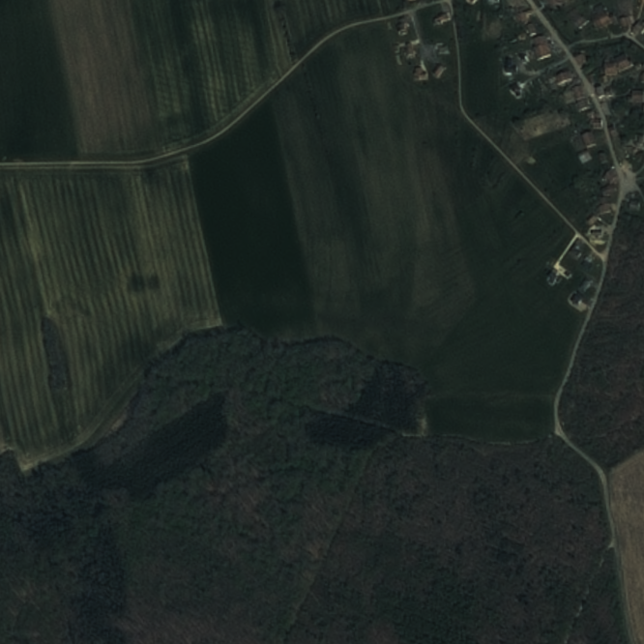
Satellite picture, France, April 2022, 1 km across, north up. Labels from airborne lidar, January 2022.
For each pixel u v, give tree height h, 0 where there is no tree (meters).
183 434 12
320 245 0
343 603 13
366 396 18
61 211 0
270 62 0
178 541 16
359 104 0
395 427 17
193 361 25
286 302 0
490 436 0
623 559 0
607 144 0
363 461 20
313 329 0
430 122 0
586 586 6
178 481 18
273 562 23
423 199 0
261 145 0
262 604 16
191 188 0
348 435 19
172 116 0
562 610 6
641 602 0
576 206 0
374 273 0
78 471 13
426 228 0
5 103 0
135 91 0
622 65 0
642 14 0
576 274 0
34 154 0
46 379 0
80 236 0
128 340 0
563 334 0
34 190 0
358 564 8
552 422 0
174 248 0
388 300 0
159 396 21
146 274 0
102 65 0
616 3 0
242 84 0
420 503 10
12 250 0
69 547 24
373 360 10
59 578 15
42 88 0
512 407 0
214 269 0
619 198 0
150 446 10
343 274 0
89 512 33
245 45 0
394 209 0
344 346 16
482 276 0
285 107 0
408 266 0
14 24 0
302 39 0
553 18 0
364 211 0
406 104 0
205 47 0
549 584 13
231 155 0
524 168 0
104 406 0
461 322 0
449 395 0
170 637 24
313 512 29
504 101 0
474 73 0
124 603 25
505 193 0
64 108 0
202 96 0
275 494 21
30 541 29
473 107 0
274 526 25
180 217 0
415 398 17
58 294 0
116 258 0
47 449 0
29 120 0
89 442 0
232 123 0
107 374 0
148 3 0
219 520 26
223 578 18
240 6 0
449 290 0
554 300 0
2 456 6
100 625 26
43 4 0
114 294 0
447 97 0
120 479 12
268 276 0
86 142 0
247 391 19
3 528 23
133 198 0
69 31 0
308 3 0
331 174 0
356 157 0
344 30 0
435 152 0
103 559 22
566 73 0
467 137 0
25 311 0
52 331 18
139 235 0
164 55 0
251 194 0
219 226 0
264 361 30
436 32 0
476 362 0
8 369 0
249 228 0
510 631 11
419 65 0
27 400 0
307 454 27
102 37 0
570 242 0
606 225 0
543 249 0
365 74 0
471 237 0
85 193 0
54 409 0
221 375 24
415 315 0
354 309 0
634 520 0
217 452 24
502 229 0
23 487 18
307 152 0
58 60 0
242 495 26
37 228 0
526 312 0
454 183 0
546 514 9
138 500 13
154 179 0
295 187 0
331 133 0
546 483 12
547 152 0
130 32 0
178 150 0
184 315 0
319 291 0
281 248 0
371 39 0
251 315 0
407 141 0
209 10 0
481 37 0
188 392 29
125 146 0
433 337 0
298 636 7
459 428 0
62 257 0
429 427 0
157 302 0
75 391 0
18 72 0
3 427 0
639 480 0
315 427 19
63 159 0
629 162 0
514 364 0
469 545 7
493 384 0
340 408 22
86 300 0
